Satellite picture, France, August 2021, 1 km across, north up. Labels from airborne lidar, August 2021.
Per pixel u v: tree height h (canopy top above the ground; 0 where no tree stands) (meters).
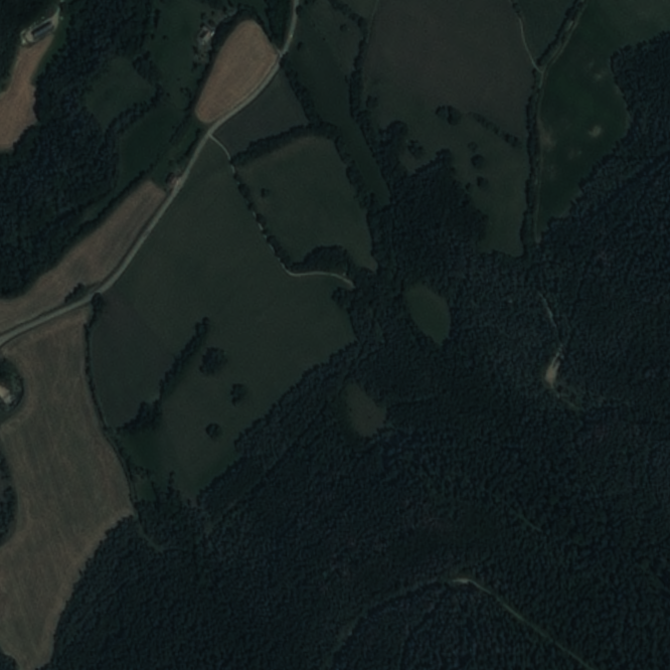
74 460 0
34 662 0
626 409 14
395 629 20
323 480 24
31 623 0
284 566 20
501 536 21
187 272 0
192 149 10
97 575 12
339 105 0
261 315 0
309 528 26
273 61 0
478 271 10
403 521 27
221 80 0
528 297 12
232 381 0
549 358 13
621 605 29
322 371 13
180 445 0
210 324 10
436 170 14
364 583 19
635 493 7
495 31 0
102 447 0
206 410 0
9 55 17
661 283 27
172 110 0
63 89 24
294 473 19
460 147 0
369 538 23
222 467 0
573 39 0
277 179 0
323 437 19
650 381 18
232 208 0
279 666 23
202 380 0
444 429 25
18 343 0
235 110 0
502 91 0
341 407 5
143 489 0
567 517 25
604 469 18
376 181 0
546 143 0
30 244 8
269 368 0
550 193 0
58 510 0
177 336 0
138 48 14
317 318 0
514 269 15
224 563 12
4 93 0
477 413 26
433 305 0
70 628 12
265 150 13
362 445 9
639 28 0
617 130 0
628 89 11
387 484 20
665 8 0
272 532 17
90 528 0
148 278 0
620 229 21
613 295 25
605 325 17
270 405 0
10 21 19
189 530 21
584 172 0
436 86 0
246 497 13
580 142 0
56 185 23
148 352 0
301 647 17
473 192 9
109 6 25
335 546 26
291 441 7
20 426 0
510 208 0
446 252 16
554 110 0
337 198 0
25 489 0
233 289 0
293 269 11
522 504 30
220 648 27
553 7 0
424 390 20
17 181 19
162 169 0
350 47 0
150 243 0
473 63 0
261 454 8
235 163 12
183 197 0
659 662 23
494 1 0
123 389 0
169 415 0
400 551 22
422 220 22
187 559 22
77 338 0
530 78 0
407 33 0
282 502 22
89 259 0
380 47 0
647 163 8
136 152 0
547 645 20
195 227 0
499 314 14
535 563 26
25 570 0
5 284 26
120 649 23
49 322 0
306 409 14
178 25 0
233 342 0
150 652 24
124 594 16
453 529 20
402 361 19
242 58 0
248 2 0
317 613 13
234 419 0
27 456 0
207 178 0
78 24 22
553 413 17
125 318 0
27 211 22
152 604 22
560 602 29
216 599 23
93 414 0
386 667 17
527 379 9
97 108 0
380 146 13
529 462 32
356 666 12
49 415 0
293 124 0
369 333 12
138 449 0
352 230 0
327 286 0
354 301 10
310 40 0
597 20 0
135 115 9
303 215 0
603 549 27
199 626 28
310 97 21
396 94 0
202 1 8
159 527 13
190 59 0
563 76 0
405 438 18
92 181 18
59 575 0
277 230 0
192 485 0
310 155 0
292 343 0
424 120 0
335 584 21
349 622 11
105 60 15
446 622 25
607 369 19
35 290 0
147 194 0
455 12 0
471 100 0
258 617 22
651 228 22
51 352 0
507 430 24
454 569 23
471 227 20
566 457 25
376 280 20
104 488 0
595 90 0
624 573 26
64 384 0
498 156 0
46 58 0
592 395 8
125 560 14
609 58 0
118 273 0
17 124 0
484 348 17
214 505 16
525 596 14
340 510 24
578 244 11
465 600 24
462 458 27
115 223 0
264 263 0
